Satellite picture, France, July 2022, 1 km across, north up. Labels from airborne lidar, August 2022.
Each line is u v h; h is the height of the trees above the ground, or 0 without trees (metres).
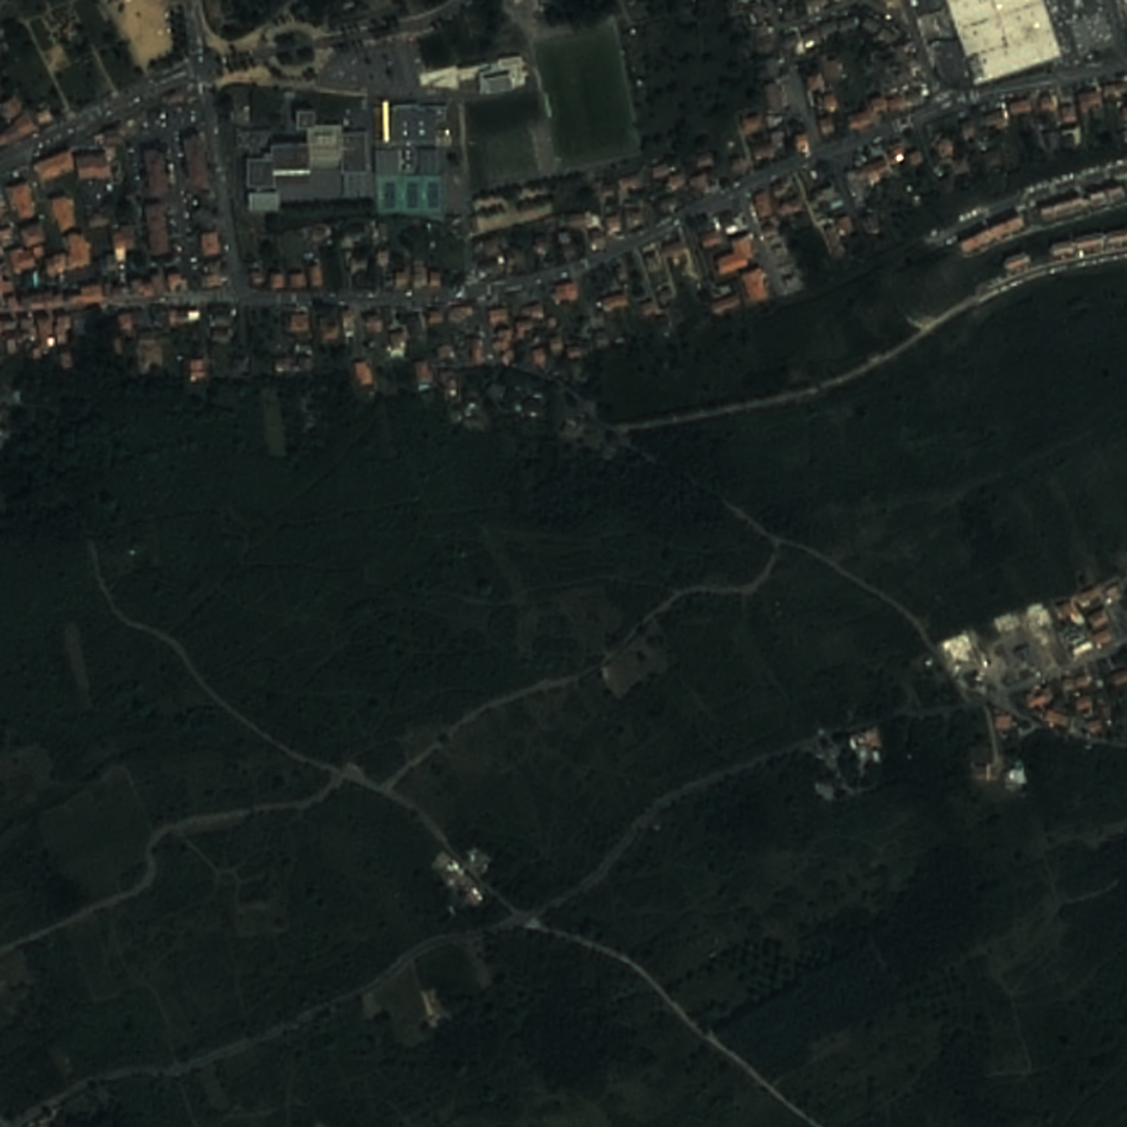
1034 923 0
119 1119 10
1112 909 7
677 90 9
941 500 0
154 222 0
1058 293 0
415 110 0
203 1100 7
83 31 8
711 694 0
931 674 8
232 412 8
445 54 0
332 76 0
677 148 13
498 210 8
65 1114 6
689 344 9
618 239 0
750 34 8
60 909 8
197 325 6
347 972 7
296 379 6
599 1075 7
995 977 0
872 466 0
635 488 11
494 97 0
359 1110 6
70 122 0
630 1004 8
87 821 0
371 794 6
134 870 6
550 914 7
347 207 10
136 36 0
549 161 0
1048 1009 0
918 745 11
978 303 0
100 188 0
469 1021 12
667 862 0
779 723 0
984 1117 9
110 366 12
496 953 9
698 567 8
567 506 9
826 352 0
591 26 10
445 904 6
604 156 0
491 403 7
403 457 6
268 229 9
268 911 0
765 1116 0
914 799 6
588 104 0
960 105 0
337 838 0
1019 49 0
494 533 0
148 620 6
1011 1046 0
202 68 0
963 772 12
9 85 8
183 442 9
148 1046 6
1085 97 0
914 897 10
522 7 0
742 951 7
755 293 0
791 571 0
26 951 8
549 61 0
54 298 0
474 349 0
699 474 10
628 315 0
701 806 7
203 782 0
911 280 0
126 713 9
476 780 0
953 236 0
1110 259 0
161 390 14
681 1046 0
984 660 0
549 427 7
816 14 0
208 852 6
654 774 10
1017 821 0
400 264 6
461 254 0
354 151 0
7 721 9
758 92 9
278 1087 6
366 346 7
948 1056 9
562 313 0
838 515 0
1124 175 0
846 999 15
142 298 0
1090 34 0
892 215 6
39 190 0
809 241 0
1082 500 6
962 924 9
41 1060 8
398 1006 0
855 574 0
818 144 0
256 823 6
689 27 9
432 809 0
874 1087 7
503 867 11
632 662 0
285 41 9
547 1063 10
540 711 0
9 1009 0
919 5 0
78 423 16
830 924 7
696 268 0
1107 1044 6
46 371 8
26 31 10
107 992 0
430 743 0
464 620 0
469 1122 0
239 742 9
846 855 7
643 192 10
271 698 8
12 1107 6
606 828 7
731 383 0
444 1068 8
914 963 9
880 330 0
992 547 10
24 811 0
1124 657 10
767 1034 13
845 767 12
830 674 7
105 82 0
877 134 0
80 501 6
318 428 9
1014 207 0
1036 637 0
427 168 0
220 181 0
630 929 0
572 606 0
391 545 5
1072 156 6
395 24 7
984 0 0
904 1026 0
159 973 0
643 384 0
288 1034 6
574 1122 0
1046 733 7
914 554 0
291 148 0
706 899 0
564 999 10
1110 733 7
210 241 0
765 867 0
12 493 6
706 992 0
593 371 7
